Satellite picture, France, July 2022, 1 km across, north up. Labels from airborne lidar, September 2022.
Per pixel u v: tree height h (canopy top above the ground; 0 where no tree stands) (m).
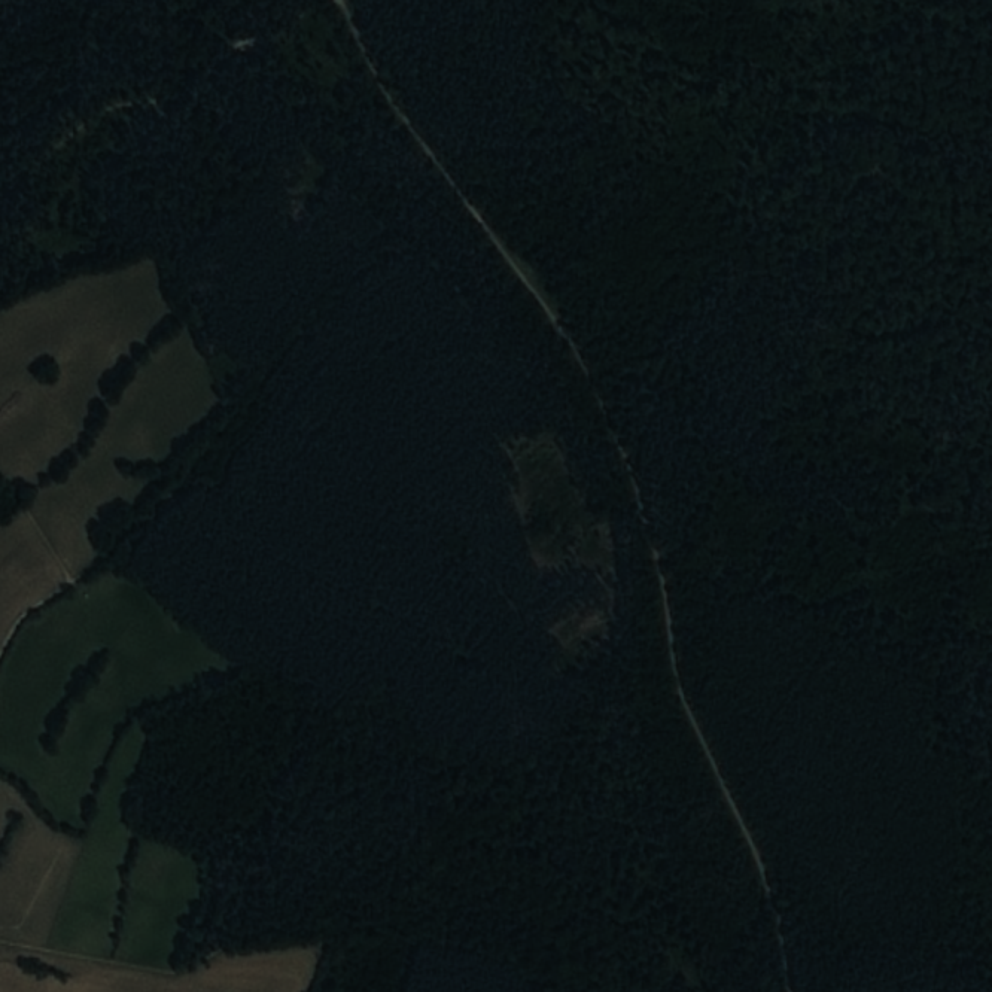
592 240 16
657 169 9
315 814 21
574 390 19
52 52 15
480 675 23
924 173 30
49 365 19
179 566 25
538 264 13
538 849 18
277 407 20
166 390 0
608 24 30
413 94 21
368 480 24
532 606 20
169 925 0
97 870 0
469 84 19
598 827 16
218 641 24
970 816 15
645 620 14
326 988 18
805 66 26
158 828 18
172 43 22
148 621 0
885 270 24
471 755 20
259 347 21
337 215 20
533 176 16
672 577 12
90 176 33
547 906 23
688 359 17
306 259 22
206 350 21
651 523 27
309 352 21
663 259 10
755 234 22
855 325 14
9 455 0
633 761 21
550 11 20
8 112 29
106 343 0
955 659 17
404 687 28
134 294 0
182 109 34
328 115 20
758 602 11
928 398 24
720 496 10
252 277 19
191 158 27
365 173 23
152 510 11
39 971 19
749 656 12
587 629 0
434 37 25
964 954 14
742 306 19
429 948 23
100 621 0
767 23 6
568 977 23
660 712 12
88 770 0
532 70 24
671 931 27
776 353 19
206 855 10
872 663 16
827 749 14
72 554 0
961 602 15
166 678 0
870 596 14
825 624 13
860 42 28
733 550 10
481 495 21
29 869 0
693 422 15
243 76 31
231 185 25
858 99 28
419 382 21
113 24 20
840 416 10
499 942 22
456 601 21
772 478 12
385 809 22
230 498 27
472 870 21
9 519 9
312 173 0
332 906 19
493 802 25
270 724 12
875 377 16
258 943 17
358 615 26
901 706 17
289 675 15
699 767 11
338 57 23
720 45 8
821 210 26
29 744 0
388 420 25
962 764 15
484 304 21
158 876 0
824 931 16
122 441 0
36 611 10
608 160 17
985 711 24
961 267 19
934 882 13
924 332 26
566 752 18
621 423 16
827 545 5
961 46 29
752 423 26
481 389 22
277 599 22
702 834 13
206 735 7
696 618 12
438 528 22
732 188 9
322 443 20
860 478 17
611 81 27
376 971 11
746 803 12
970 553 10
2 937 0
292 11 22
